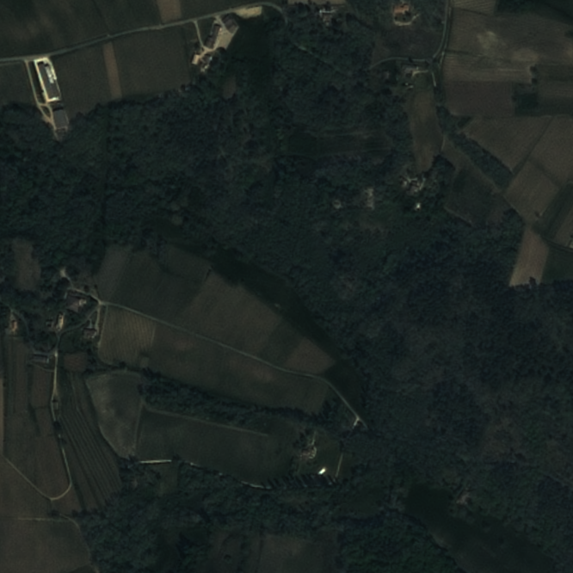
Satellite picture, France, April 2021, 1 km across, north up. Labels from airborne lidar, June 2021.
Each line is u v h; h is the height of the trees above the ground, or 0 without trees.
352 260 7
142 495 13
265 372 0
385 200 13
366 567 16
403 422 19
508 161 0
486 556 0
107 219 24
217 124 22
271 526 15
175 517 10
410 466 24
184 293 0
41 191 16
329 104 17
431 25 18
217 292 0
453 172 14
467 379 14
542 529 24
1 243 11
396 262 16
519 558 0
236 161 19
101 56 0
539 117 0
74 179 24
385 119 15
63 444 12
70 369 0
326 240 16
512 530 0
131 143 26
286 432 0
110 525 16
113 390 0
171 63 0
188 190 28
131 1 0
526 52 0
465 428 19
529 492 16
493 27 0
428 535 11
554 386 23
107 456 0
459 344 22
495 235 16
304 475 0
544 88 0
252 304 0
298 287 17
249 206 22
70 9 0
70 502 0
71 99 0
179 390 10
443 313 17
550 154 0
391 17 19
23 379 0
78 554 0
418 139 0
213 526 30
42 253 16
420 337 15
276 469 0
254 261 15
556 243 0
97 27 0
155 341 0
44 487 0
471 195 0
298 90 24
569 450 12
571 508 21
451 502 10
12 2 0
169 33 0
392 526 19
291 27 8
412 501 0
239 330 0
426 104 0
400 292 18
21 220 12
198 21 0
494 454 7
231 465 0
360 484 19
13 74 0
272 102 8
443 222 9
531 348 21
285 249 23
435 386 9
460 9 0
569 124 0
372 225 0
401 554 30
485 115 0
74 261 16
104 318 0
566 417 13
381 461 22
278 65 7
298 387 0
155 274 0
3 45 0
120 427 0
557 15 0
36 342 10
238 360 0
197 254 0
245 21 0
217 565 0
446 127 19
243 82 7
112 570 11
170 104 18
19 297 19
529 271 0
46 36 0
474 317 17
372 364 23
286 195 19
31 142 20
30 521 0
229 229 26
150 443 0
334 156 0
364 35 18
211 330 0
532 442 12
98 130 22
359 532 22
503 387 19
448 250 18
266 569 0
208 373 0
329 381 0
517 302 20
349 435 13
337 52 19
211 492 9
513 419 12
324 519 12
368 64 20
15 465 0
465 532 0
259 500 14
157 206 15
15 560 0
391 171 12
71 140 20
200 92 21
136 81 0
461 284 15
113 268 0
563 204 0
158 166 20
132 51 0
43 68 0
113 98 0
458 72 0
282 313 0
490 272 19
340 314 15
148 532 24
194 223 14
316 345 0
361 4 19
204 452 0
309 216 9
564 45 0
